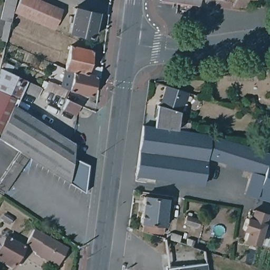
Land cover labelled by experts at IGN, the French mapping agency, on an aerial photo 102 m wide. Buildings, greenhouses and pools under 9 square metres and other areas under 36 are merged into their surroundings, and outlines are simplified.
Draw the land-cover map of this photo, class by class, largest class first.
<instances>
[{"label":"impervious surface","instance_id":"1","mask_svg":"<svg viewBox=\"0 0 270 270\"><path fill-rule=\"evenodd\" d=\"M62 9L59 24L62 27L70 25L65 16L71 4L85 11L103 14L100 35L94 40L84 39L86 45L93 46L95 65L102 67V75L97 86L99 92L89 98L73 93L59 97L49 92V82L45 81L42 84L43 95H38L35 99L32 95L24 94L20 104L28 109V114L77 143L76 158L91 165L88 194L61 184L57 175L36 167L30 161V157L22 155L20 149L0 137V208L4 201H11L16 208L60 230L63 236L80 246V253L77 254L79 270H179L178 266L205 264L207 258L209 266L202 270H256L252 262L256 248L245 239L244 217L252 210L270 215V202L265 201V197H249L244 193L247 178L243 176L242 169L234 165L226 166L224 162L217 165L214 160L209 161L208 179L193 187L184 179L175 181L173 185L156 187L155 179L135 175L141 127H144V123L156 119L155 104H160V95H165L167 86L171 85L163 79L162 71L168 61L176 60V55L187 57L193 61V65H199L200 61L211 57L227 64V59L235 47H242L253 51L259 57V61L264 62L265 54L270 47V35L263 25L265 12L247 14V5L231 9L233 0H206V3H201L200 6L191 7L188 3L167 0H42ZM180 21L197 24L201 33L207 35L208 41L204 47L192 52L176 49L172 27ZM70 100L84 107L76 121L72 119L71 113L65 112ZM147 197L171 200L172 223L163 234L143 233L139 229L140 225L144 224ZM187 198L194 201L190 202V209L195 211L201 208L206 216H211V224H200L188 220V217L192 215L184 213V199ZM173 234L184 235L187 242L192 239L193 245L182 244L181 240L173 242ZM26 251L22 255V264L8 266V270H41L42 265L47 262L37 252H32L28 243L24 245Z\"/></svg>","mask_w":270,"mask_h":270},{"label":"building","instance_id":"2","mask_svg":"<svg viewBox=\"0 0 270 270\"><path fill-rule=\"evenodd\" d=\"M15 14L19 19L23 17L51 30H57L59 24L62 9L42 0H0V40L7 41ZM188 3L191 7L200 6L201 3H206V0H167ZM231 9L247 5L252 0H233ZM70 25L71 34L79 40L73 46H69L65 67H57L45 81L49 82V92L59 97L73 93L89 98L99 92L97 86L102 75V67L95 65L93 46L86 45L84 39L94 40L100 35L103 14L85 11L71 4L65 16ZM0 75V137L20 149L22 155L30 157V161L36 167L57 175L61 184L88 194L91 165L76 158L77 143L28 114V109L20 104L24 94L32 95L35 99L38 95H43L42 84H33L7 72L9 67H1ZM196 100L189 93L181 91L180 86L171 85L167 86L165 95H160V104H155L156 119L144 123V127H141L135 175L155 179L156 187L173 185L175 181L184 179L193 187L208 179L209 161L214 160L217 165L224 162L226 166L234 165L242 169L243 176L247 178L244 193L249 197H265V201L270 202V153L265 152L263 158L256 156L250 146H245V138L226 136V139L215 142L207 134L191 129L189 117L192 110L191 103H195ZM84 107L70 100L65 112L71 113L72 119L76 121ZM171 200L147 197L144 224L140 225L139 229L143 233L163 234L172 223ZM245 239L256 248L264 249L265 252L270 250V215L252 210L244 217ZM16 220V215L6 212L3 218H0V227L12 224ZM188 220L200 224L197 215H192L188 217ZM28 243L32 252H37L47 262L42 265L41 270H71V246L60 243L58 238L40 229L35 230ZM24 245L17 239L12 242L11 238L0 234V270H8V266L22 264V255L26 251ZM173 242L181 240L182 244L193 245L192 239L187 242L184 235L173 234ZM209 266L207 258L205 264L178 266L179 270H202Z\"/></svg>","mask_w":270,"mask_h":270},{"label":"herbaceous vegetation","instance_id":"3","mask_svg":"<svg viewBox=\"0 0 270 270\"><path fill-rule=\"evenodd\" d=\"M79 40L71 34L70 25L62 27L59 24L57 30H51L23 17L19 19L15 14L7 41L0 40V75L1 67H9L7 72L33 84H42L45 81L57 67H65L69 46H73ZM232 85L237 94L242 93V96H246L250 102H255L256 108L263 111L270 117V78L259 80L257 77L239 78L233 75L219 79L218 83H211L212 95L216 101L230 102L227 90ZM192 110H199L200 116L205 117L210 129L207 134L215 142L226 139V136L245 138L248 124L255 119L250 115L242 118L232 117L237 113L235 109L196 100L195 103H191ZM6 212L16 215V220L12 224L0 227V234L11 238L12 242L17 239L24 245L28 243L35 230L30 231L24 227V220L28 219V214L16 208L11 201H4L0 208V218H3Z\"/></svg>","mask_w":270,"mask_h":270},{"label":"deciduous trees","instance_id":"4","mask_svg":"<svg viewBox=\"0 0 270 270\"><path fill-rule=\"evenodd\" d=\"M265 12L263 25L270 35V0H252L247 5V14ZM176 49L192 52L204 47L208 41L207 35L201 33L197 24L180 21L172 27ZM227 64L211 57L200 61L199 65H193V61L187 57L176 55V60L168 61L162 71L163 79L171 85L180 86L181 91L189 93L196 100L235 109L237 113L232 117L242 118L250 115L255 119L263 111L256 108L255 102H250L246 96H242V93L237 94L232 85L227 90L230 102L216 101L212 95L211 83H218L219 79L233 75L239 78L257 77L259 80L270 78V47L265 54L264 62L259 61V57L253 51L242 47H235L227 59ZM191 129L207 134L210 129L205 117L200 116L199 110H192L189 117ZM190 202L194 201L187 198L184 199V213L192 215H197L200 224H211V216H206L201 208L195 211L190 209ZM256 270H270V250L265 252L264 249L256 248L252 262Z\"/></svg>","mask_w":270,"mask_h":270},{"label":"coniferous trees","instance_id":"5","mask_svg":"<svg viewBox=\"0 0 270 270\"><path fill-rule=\"evenodd\" d=\"M245 138V146H250L256 156L263 158L265 152L270 153V117L263 111L255 119L248 124Z\"/></svg>","mask_w":270,"mask_h":270},{"label":"brushwood","instance_id":"6","mask_svg":"<svg viewBox=\"0 0 270 270\"><path fill-rule=\"evenodd\" d=\"M28 219L24 220V227L30 231L40 229L58 238L60 243L71 246V270H79L77 254L80 253V246L63 236L60 230L28 214Z\"/></svg>","mask_w":270,"mask_h":270}]
</instances>
